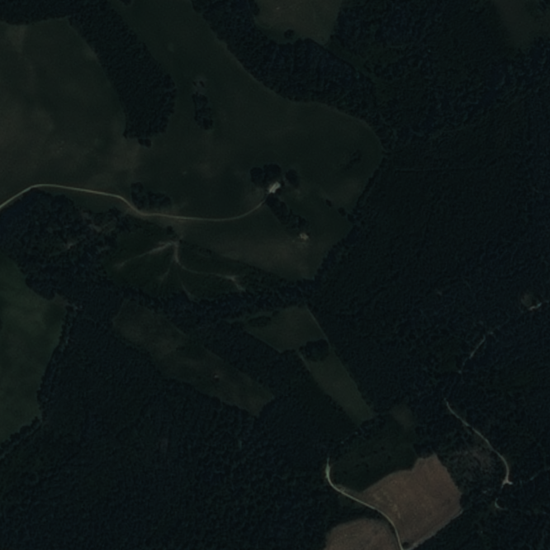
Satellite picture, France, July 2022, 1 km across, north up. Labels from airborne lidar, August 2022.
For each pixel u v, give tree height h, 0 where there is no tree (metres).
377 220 10
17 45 0
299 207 0
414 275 15
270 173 20
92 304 19
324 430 8
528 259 19
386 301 18
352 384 0
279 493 13
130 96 7
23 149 0
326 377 0
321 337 0
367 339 16
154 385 12
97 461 14
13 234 32
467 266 15
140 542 20
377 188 6
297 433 19
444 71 16
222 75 0
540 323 26
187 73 0
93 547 23
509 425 8
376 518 18
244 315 14
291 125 0
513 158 13
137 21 0
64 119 0
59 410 14
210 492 8
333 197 0
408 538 0
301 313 0
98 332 11
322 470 9
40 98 0
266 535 10
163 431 17
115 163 0
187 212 0
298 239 0
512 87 29
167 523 8
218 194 0
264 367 11
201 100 21
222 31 24
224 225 0
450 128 11
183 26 0
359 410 0
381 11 9
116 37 10
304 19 0
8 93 0
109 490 11
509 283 24
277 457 24
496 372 8
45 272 23
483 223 19
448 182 12
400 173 7
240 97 0
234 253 0
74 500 14
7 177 0
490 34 9
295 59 17
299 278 0
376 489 0
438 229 15
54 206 25
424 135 8
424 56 23
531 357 17
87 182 0
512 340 29
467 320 27
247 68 15
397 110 10
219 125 0
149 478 20
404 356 13
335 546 0
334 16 0
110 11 7
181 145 0
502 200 17
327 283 8
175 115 0
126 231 27
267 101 0
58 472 17
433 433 17
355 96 19
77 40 0
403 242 7
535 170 23
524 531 18
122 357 12
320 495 19
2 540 26
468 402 18
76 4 19
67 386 16
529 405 18
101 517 19
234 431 21
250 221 0
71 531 26
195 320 10
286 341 0
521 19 0
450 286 18
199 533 17
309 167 0
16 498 20
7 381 0
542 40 8
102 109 0
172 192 0
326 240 0
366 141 0
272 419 20
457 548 15
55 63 0
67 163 0
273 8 0
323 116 0
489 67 8
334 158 0
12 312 0
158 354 0
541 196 12
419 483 0
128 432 17
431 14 26
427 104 8
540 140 18
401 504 0
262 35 10
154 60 10
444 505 0
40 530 25
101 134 0
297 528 25
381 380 16
